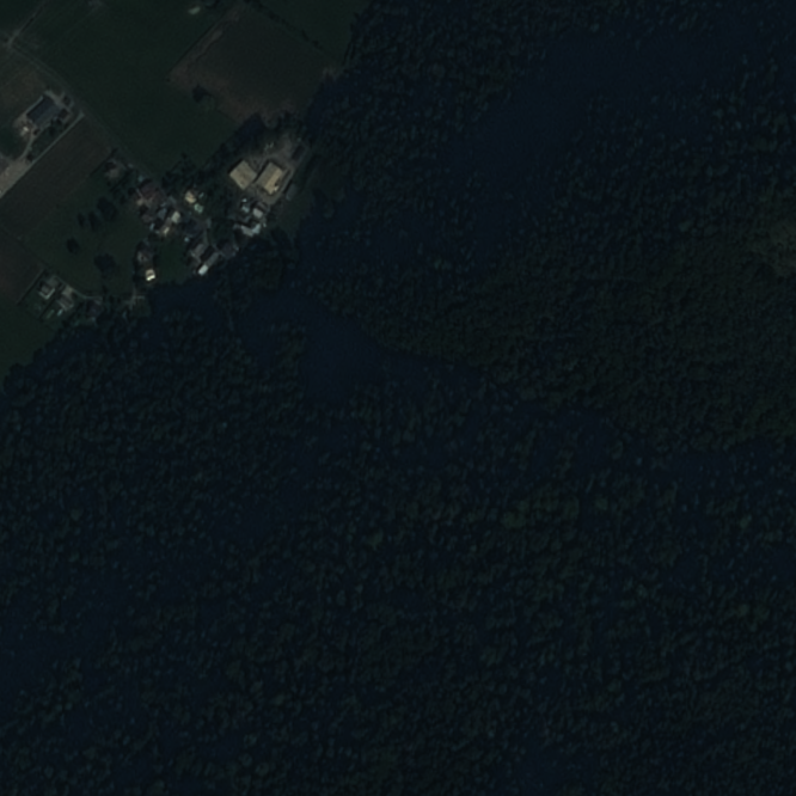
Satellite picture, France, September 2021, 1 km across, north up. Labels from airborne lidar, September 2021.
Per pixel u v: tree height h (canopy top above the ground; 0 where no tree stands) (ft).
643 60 80
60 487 90
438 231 95
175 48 0
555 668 70
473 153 90
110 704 101
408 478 99
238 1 37
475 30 87
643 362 57
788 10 104
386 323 85
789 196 73
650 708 72
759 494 99
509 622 125
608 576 103
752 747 79
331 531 101
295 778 77
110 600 99
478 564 27
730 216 62
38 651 99
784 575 50
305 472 92
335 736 40
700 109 100
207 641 109
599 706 75
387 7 60
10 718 110
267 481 118
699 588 95
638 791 91
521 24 88
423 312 75
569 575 78
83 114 0
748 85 86
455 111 129
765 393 85
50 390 83
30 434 55
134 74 0
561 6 79
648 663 92
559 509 92
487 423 80
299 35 0
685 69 116
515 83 79
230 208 36
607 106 91
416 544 20
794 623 81
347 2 0
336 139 78
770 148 112
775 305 38
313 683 60
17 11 0
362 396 123
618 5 89
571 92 86
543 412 103
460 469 65
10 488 32
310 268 100
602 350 115
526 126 82
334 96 33
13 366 0
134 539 107
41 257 0
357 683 84
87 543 77
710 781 75
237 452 91
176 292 0
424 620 109
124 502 82
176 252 0
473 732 102
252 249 40
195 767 121
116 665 92
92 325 0
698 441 123
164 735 57
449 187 101
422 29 66
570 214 83
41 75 0
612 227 101
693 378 93
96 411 92
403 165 82
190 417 95
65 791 97
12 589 95
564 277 69
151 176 0
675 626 57
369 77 27
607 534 91
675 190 81
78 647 78
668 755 80
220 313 39
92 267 0
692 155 107
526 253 90
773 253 28
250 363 87
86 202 0
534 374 107
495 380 112
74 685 114
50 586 110
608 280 86
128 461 96
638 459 36
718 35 92
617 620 89
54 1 0
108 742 105
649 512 42
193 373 92
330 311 100
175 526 107
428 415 104
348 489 103
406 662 107
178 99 0
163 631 90
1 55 0
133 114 0
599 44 82
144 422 86
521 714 74
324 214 54
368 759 109
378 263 77
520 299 86
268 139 76
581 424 66
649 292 60
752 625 56
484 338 98
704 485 98
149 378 88
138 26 0
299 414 101
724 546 85
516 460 92
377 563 26
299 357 99
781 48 104
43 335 0
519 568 81
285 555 114
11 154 0
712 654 74
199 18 0
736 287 31
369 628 99
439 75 65
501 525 126
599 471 44
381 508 109
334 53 0
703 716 78
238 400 91
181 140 0
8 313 0
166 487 106
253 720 62
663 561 101
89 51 0
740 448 35
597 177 74
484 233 59
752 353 98
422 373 135
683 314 64
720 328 93
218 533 98
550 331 93
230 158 53
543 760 73
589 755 61
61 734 87
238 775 101
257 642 90
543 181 93
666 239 115
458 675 58
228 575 77
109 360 97
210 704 117
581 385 90
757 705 76
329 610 52
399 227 70
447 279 105
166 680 91
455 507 104
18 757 121
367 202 68
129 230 0
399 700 99
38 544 104
